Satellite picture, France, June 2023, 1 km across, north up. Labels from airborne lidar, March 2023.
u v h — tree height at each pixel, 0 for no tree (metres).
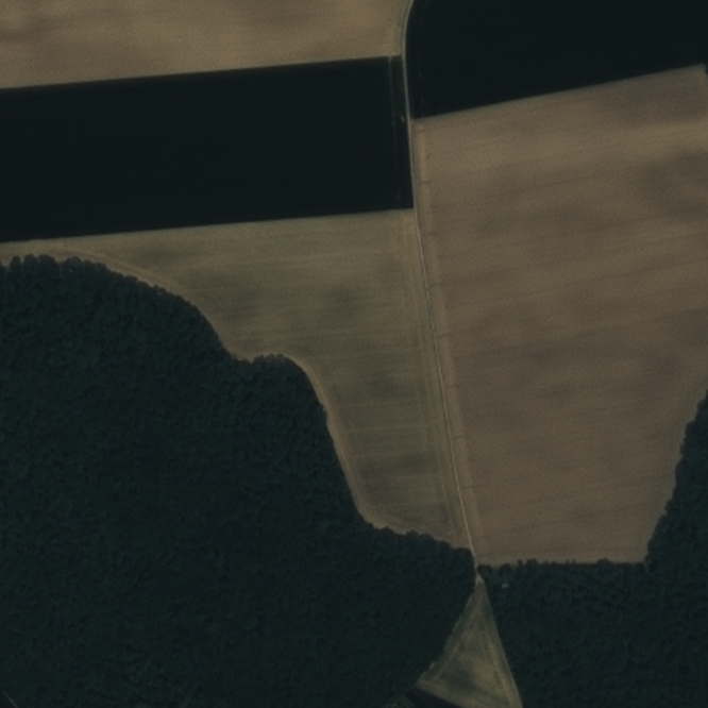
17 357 19
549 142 0
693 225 0
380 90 0
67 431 23
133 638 27
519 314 0
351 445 0
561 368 0
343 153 0
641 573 18
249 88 0
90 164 0
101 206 0
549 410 0
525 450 0
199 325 27
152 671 17
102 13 0
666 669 26
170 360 18
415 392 0
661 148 0
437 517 0
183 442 23
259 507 29
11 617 24
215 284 0
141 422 23
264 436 25
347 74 0
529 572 17
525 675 17
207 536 26
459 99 0
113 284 25
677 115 0
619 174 0
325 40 0
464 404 0
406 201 0
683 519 18
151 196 0
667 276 0
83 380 26
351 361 0
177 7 0
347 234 0
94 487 24
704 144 0
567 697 18
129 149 0
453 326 0
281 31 0
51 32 0
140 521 24
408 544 18
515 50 0
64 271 25
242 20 0
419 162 0
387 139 0
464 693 0
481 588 0
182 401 24
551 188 0
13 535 21
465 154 0
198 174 0
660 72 0
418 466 0
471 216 0
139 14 0
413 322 0
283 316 0
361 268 0
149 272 0
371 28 0
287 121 0
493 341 0
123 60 0
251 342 0
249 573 24
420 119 0
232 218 0
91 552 21
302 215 0
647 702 23
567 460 0
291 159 0
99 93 0
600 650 27
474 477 0
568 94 0
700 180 0
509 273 0
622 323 0
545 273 0
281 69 0
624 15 0
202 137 0
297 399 16
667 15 0
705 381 0
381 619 19
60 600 15
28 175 0
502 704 0
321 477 22
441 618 18
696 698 25
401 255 0
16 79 0
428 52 0
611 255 0
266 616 23
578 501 0
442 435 0
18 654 21
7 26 0
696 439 16
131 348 27
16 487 24
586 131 0
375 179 0
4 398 25
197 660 22
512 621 19
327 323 0
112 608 23
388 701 15
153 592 22
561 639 22
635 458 0
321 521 27
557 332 0
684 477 19
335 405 0
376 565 23
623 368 0
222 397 22
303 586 22
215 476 25
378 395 0
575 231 0
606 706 24
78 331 29
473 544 0
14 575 24
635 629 26
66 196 0
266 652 21
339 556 22
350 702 24
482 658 0
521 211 0
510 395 0
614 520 0
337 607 23
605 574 20
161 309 26
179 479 25
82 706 26
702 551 21
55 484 24
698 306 0
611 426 0
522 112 0
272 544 24
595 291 0
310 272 0
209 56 0
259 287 0
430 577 23
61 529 25
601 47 0
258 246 0
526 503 0
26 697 16
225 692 19
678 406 0
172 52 0
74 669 20
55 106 0
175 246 0
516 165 0
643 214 0
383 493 0
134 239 0
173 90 0
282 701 16
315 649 20
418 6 0
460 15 0
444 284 0
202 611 22
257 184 0
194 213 0
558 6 0
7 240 0
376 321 0
